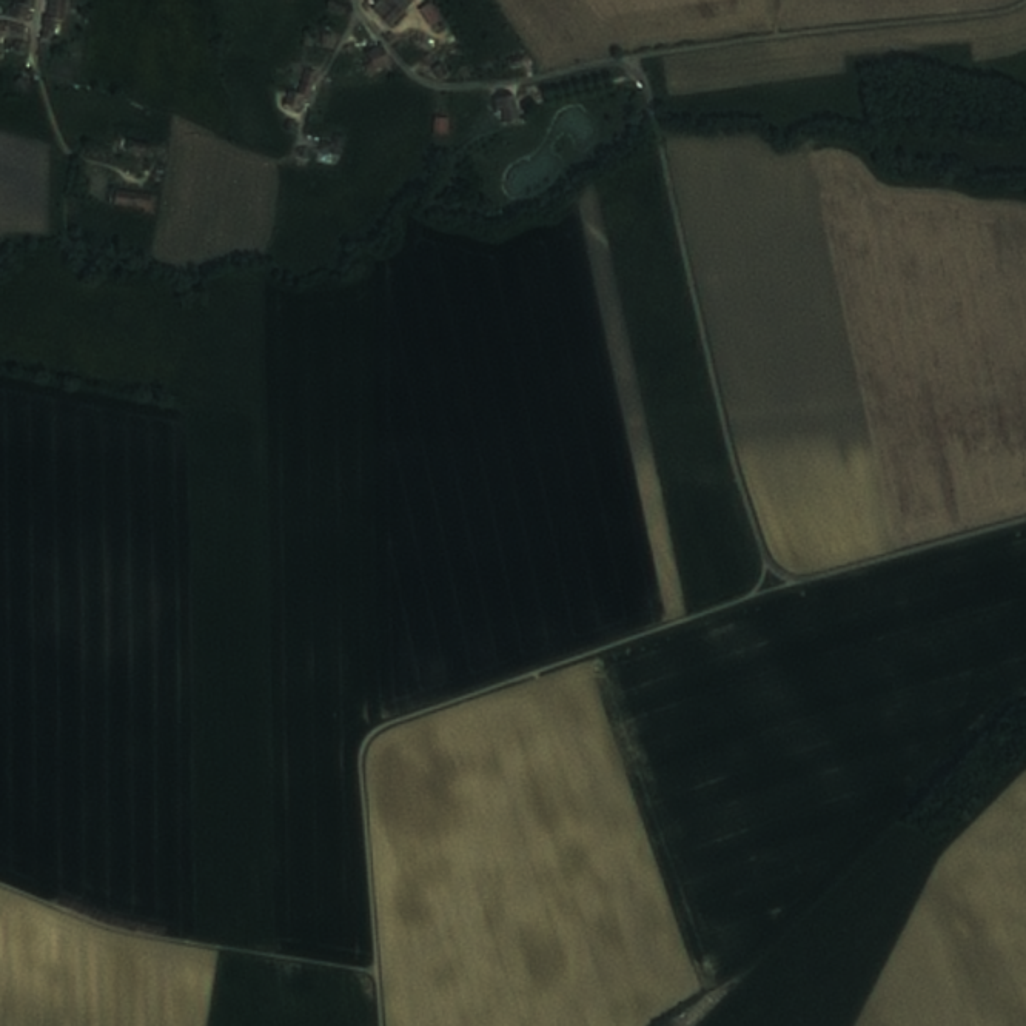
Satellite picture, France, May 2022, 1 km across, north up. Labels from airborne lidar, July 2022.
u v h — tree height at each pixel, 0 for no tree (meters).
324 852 0
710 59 0
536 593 0
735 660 0
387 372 0
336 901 0
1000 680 0
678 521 0
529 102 18
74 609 0
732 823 0
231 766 0
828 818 0
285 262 0
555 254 0
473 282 0
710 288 0
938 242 0
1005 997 0
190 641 0
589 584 0
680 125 19
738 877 0
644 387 0
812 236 0
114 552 0
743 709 0
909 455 0
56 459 0
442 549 0
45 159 0
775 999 0
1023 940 0
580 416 0
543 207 11
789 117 0
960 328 0
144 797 0
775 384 0
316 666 0
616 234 0
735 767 0
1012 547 0
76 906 0
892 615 0
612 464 0
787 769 0
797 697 0
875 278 0
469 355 0
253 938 0
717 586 0
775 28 0
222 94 0
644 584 0
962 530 0
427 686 0
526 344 0
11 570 0
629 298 0
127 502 0
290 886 0
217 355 0
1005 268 0
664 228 0
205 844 0
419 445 0
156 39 0
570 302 0
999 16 0
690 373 0
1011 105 21
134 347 0
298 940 0
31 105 0
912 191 0
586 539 0
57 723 0
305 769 0
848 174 0
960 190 0
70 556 0
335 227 0
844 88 0
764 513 0
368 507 0
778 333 0
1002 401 0
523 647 0
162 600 0
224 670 0
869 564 0
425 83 0
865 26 0
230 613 0
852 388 0
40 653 0
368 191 0
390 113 0
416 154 0
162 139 0
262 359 0
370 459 0
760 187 0
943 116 18
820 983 0
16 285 0
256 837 0
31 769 0
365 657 0
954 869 0
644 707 0
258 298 0
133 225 0
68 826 0
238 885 0
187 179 0
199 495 0
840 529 0
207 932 0
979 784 19
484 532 0
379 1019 0
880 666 0
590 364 0
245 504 0
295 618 0
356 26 0
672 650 0
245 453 0
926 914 0
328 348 0
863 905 0
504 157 0
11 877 0
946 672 0
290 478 0
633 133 17
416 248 0
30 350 0
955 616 0
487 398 0
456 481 0
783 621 0
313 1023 0
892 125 20
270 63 0
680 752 0
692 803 0
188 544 0
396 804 0
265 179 0
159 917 0
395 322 0
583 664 0
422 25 0
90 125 0
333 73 0
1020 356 0
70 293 0
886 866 0
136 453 0
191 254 0
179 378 0
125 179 0
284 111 0
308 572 0
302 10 0
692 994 0
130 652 0
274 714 0
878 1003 0
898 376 0
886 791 0
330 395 0
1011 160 0
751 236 0
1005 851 0
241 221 0
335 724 0
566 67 0
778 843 0
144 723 0
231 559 0
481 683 0
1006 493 0
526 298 0
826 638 0
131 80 0
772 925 0
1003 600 0
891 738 0
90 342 0
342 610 0
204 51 0
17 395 0
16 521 0
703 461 0
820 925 0
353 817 0
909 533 0
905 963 0
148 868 0
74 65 0
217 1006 0
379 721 0
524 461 0
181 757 0
